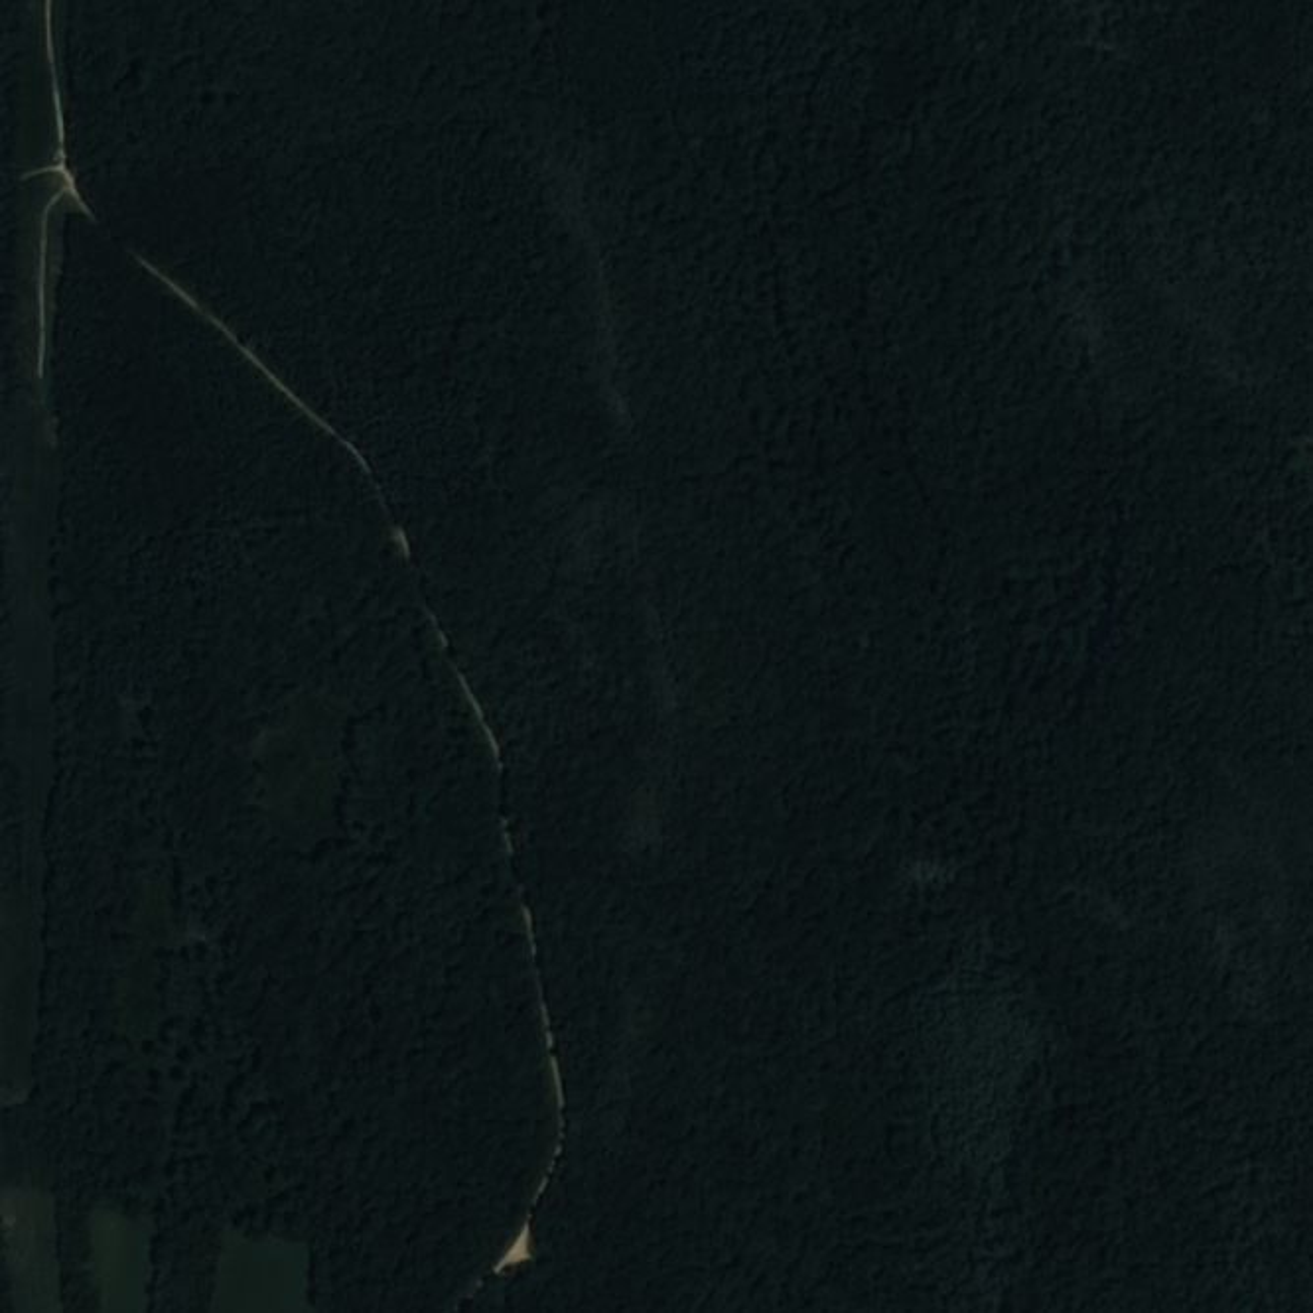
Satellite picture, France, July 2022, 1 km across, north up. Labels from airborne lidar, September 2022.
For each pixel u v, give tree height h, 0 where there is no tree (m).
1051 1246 21
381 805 22
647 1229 20
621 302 15
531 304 15
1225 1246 17
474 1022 17
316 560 17
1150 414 9
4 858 13
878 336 24
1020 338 20
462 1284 17
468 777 18
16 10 10
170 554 19
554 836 16
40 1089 10
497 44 17
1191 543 21
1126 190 10
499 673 12
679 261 24
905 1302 23
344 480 18
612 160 15
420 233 15
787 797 25
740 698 23
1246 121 14
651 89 23
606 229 22
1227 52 18
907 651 7
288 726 19
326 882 22
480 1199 20
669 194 25
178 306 14
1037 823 16
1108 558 17
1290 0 17
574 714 13
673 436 23
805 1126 19
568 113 20
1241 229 13
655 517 22
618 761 17
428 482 16
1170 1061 23
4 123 11
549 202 15
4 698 6
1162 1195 20
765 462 30
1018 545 17
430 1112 18
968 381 20
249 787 22
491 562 17
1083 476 20
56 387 6
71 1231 9
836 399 9
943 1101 20
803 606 26
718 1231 22
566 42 18
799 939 15
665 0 22
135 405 17
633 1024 7
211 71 19
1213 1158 22
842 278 9
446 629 16
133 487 18
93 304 14
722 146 25
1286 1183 12
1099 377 18
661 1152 16
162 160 20
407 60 17
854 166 7
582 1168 9
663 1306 23
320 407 8
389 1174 16
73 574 17
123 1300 0
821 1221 21
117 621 19
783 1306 23
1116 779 17
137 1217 19
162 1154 21
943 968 7
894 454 21
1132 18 11
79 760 17
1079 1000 18
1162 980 13
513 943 23
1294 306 9
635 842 8
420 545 17
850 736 20
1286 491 18
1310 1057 15
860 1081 8
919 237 21
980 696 20
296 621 18
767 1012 19
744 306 12
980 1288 19
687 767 17
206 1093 24
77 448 10
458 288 10
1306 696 13
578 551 6
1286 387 11
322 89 14
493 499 18
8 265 11
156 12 16
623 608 15
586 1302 18
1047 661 22
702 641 22
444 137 12
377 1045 17
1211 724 19
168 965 27
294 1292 0
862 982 18
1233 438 18
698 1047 19
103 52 18
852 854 23
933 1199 22
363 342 15
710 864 14
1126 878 13
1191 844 12
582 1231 14
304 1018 22
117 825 15
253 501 12
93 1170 18
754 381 31
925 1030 24
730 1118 24
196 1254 15
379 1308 18
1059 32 18
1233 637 17
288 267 7
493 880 19
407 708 21
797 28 29
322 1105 17
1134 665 18
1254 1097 24
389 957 22
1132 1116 19
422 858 19
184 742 16
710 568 21
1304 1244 16
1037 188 16
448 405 23
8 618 6
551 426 19
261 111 19
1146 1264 17
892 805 9
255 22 13
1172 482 19
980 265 20
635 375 20
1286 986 9
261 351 12
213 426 15
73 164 14
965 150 20
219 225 17
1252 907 7
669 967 21
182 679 14
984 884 21
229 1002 18
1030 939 22
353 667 17
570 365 15
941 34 18
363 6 14
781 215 18
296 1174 21
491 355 21
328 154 13
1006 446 23
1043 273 12
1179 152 15
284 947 19
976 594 14
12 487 9
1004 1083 15
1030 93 18
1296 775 6
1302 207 14
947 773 9
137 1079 20
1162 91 15
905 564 23
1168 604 20
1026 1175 25
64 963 15
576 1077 8
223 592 25
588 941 17
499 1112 15
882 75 9
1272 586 19
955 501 25
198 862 24
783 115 20
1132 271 9
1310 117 21
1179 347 8
